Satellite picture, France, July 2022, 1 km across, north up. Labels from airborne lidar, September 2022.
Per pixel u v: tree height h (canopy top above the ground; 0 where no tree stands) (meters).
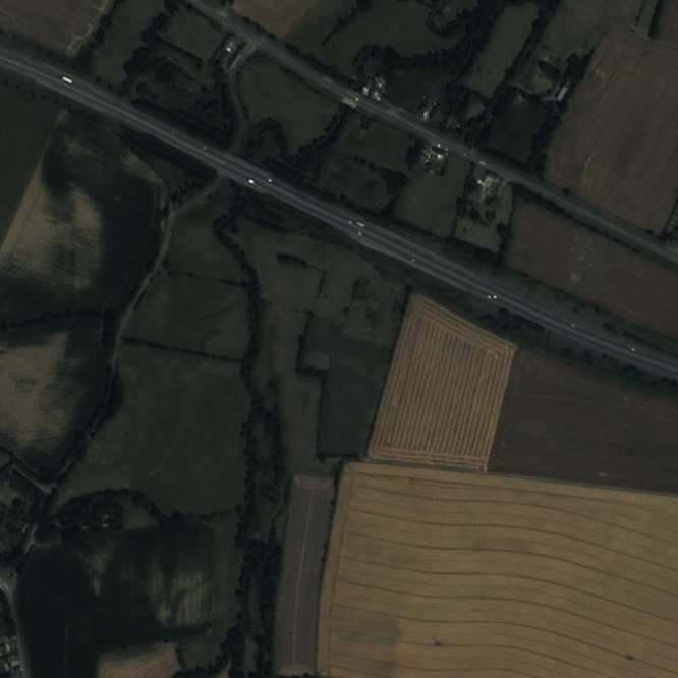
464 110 15
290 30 0
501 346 0
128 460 0
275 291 0
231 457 0
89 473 0
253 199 8
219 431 0
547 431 0
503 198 0
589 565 0
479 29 20
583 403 0
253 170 0
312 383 0
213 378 0
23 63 0
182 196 10
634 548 0
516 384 0
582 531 0
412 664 0
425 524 0
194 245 0
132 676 0
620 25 0
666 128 0
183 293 0
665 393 0
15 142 0
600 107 0
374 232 0
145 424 0
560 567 0
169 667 0
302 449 0
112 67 0
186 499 0
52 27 0
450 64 28
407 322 0
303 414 0
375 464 0
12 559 18
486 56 0
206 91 10
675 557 0
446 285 0
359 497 0
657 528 0
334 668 0
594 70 0
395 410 0
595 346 0
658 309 0
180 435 0
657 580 0
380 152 0
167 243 0
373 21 0
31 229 0
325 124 0
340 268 0
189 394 0
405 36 0
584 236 0
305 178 13
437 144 0
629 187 0
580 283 0
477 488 0
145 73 6
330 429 0
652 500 0
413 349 0
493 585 0
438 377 0
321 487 0
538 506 0
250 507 7
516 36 0
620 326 0
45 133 0
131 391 0
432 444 0
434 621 0
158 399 0
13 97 0
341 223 0
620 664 0
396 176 12
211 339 0
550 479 0
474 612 0
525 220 0
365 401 0
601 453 0
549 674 0
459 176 0
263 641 13
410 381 0
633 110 0
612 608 0
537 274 0
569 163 0
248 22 0
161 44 11
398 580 0
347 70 0
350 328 0
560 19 0
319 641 0
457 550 0
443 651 0
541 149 20
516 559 0
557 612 0
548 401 0
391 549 0
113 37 0
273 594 14
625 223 0
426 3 7
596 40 0
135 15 0
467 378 0
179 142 0
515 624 0
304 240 0
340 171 0
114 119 0
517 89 9
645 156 0
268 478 0
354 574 0
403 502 0
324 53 0
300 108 0
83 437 21
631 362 0
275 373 0
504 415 0
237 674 22
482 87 0
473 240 0
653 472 0
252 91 0
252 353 12
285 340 0
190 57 9
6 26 0
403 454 0
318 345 0
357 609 0
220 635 0
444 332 0
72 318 13
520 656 0
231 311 0
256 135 0
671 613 0
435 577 0
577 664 0
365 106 0
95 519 11
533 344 0
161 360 0
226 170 0
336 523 0
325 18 0
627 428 0
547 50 0
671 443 0
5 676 7
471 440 0
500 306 0
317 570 0
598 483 0
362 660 0
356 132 0
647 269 0
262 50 0
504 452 0
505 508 0
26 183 0
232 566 0
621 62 0
